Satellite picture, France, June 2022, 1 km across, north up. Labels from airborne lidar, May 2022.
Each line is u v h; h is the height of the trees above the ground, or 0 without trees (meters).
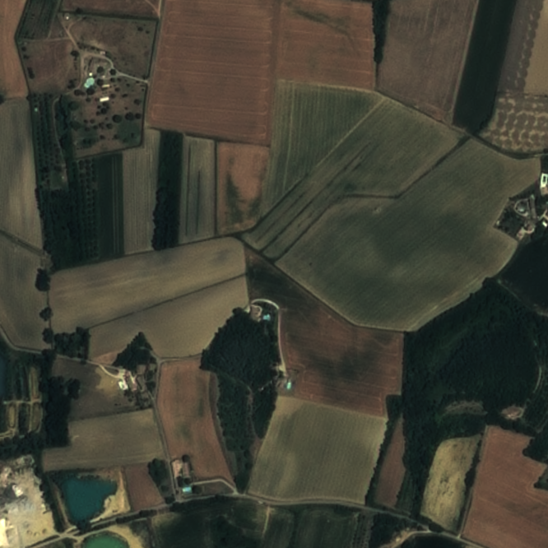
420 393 12
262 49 0
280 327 0
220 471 0
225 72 0
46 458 0
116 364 9
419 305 0
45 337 16
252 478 0
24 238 0
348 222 0
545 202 12
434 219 0
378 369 0
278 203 0
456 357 15
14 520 0
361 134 0
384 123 0
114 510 0
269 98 0
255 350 9
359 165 0
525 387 7
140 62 0
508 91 0
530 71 0
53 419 20
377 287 0
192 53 0
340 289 0
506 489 0
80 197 10
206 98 0
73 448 0
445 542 0
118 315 0
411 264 0
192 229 0
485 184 0
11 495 0
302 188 0
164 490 7
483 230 0
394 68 0
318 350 0
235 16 0
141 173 0
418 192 0
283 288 0
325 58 0
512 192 0
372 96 0
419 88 0
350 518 0
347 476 0
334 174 0
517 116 0
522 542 0
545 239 0
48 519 0
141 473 0
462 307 11
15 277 0
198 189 0
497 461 0
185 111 0
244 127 0
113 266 0
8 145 0
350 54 0
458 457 0
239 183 0
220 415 8
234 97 0
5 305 0
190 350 0
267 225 0
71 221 6
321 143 0
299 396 0
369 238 0
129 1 0
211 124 0
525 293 0
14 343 0
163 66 0
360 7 0
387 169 0
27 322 0
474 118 0
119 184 0
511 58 0
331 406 0
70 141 16
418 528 7
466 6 0
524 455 10
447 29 0
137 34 0
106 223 0
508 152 0
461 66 0
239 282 0
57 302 0
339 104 0
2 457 11
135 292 0
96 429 0
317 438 0
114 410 0
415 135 0
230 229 0
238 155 0
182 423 0
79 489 0
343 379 0
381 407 0
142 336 8
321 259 0
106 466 0
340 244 0
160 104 0
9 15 0
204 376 0
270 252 0
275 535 0
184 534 0
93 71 0
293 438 0
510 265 0
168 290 0
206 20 0
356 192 0
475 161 0
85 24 0
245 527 0
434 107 0
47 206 21
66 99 10
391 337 0
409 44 0
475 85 0
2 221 0
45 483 8
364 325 0
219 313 0
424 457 15
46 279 25
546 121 0
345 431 0
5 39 0
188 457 10
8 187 0
